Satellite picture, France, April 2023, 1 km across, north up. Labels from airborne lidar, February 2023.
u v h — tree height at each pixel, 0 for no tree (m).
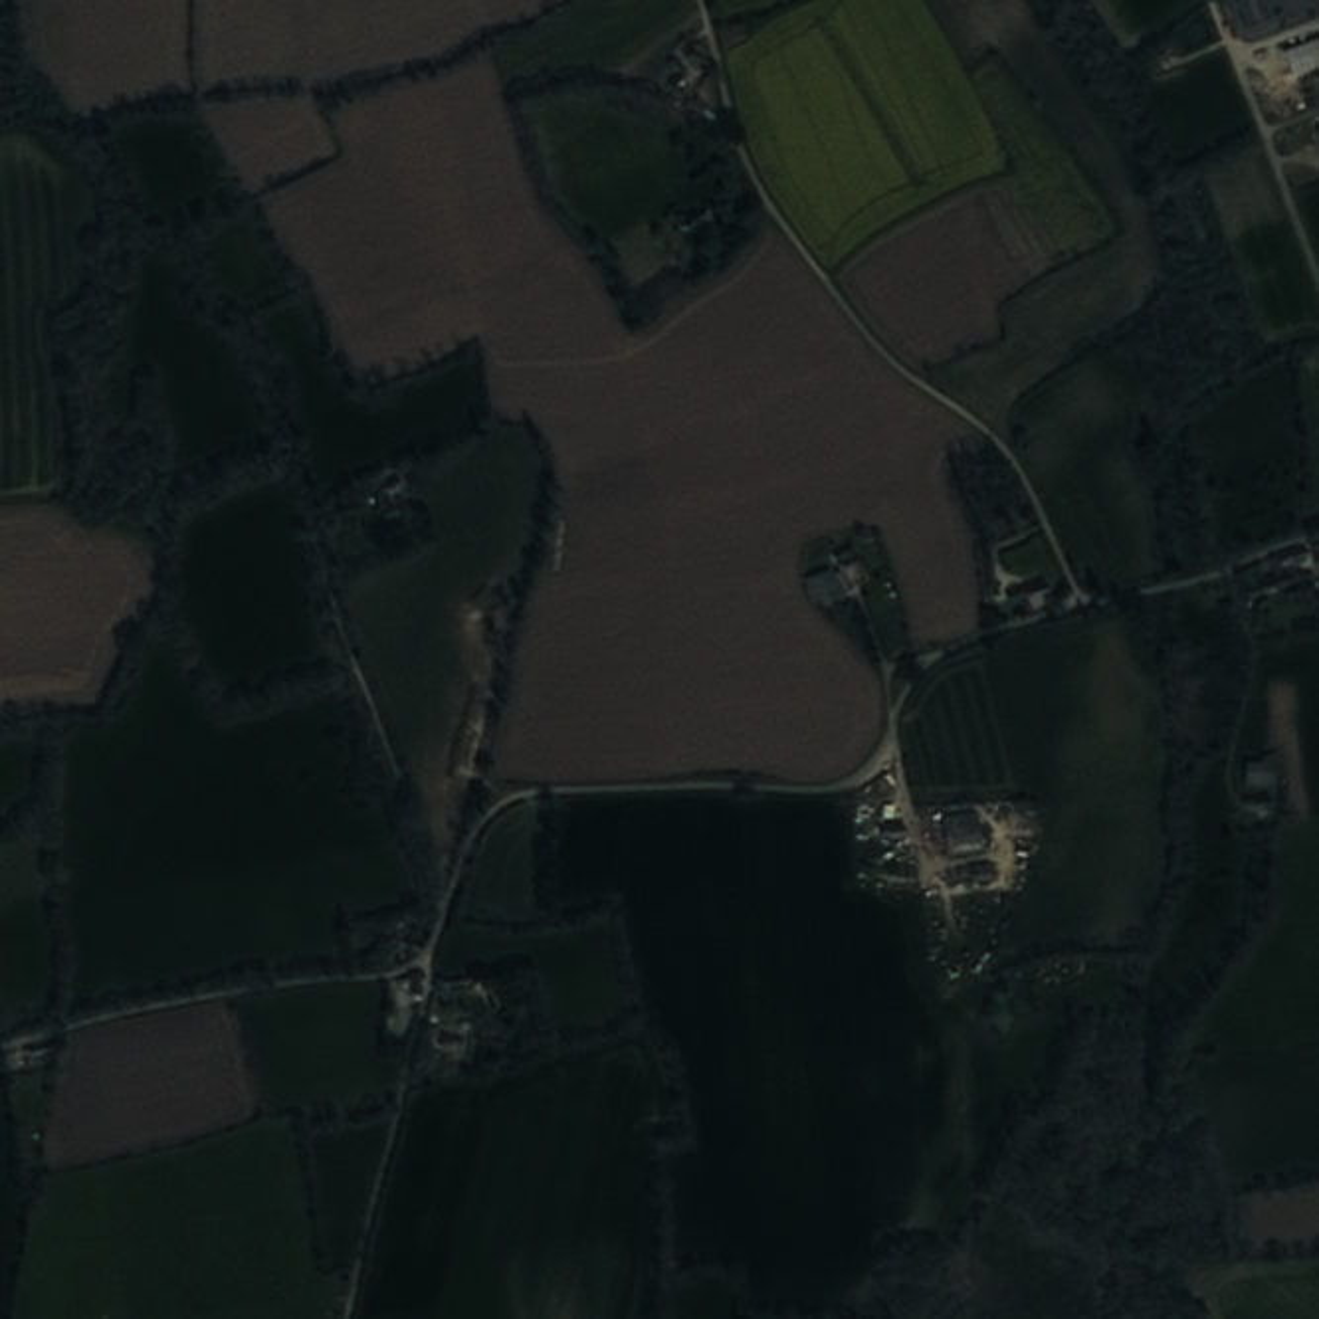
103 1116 0
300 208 0
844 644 0
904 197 0
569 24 0
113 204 13
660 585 0
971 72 0
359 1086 0
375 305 0
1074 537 0
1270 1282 0
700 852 0
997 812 0
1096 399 0
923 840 0
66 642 0
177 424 0
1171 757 8
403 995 0
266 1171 0
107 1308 0
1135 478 0
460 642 0
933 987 0
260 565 0
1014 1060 0
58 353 7
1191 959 0
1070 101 0
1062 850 0
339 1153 0
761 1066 0
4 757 0
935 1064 0
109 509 12
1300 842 0
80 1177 0
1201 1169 24
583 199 0
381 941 6
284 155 0
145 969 0
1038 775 0
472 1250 0
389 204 0
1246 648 13
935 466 0
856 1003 0
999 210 0
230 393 0
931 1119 0
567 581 0
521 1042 10
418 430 0
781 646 0
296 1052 0
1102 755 0
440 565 0
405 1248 0
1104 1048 22
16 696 0
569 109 0
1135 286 0
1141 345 16
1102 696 0
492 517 0
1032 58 0
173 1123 0
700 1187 0
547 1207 0
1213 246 7
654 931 0
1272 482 7
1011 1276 0
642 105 17
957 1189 0
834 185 0
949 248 0
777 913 0
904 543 0
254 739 0
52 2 0
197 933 0
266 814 0
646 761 0
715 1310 0
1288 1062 0
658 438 0
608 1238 0
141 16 0
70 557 0
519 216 0
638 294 6
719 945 0
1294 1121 0
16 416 0
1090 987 0
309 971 12
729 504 0
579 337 0
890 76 0
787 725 0
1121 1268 16
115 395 0
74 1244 0
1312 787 0
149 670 0
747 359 0
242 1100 0
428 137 0
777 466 0
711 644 0
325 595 12
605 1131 0
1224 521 0
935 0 0
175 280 0
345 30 0
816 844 0
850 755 0
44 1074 15
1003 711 0
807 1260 0
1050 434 0
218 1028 0
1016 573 0
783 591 0
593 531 0
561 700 0
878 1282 15
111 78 0
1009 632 7
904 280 0
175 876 0
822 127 0
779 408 0
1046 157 0
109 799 0
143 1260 0
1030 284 0
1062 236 0
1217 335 17
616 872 0
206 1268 0
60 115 9
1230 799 0
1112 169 0
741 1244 0
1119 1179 13
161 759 0
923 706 0
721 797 0
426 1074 6
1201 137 0
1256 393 0
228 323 19
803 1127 0
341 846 0
